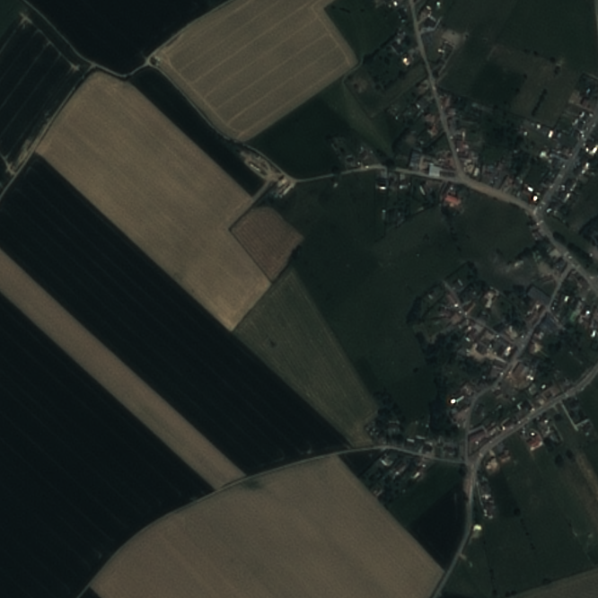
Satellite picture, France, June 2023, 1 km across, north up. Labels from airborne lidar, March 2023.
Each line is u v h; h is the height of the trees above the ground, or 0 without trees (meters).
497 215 0
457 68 0
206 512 0
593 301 0
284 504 0
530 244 0
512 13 0
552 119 0
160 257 0
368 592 0
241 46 0
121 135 0
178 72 0
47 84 0
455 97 6
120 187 0
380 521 0
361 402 0
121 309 0
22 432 0
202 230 0
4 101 0
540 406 0
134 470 0
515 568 0
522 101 0
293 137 0
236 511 0
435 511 0
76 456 0
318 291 0
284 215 0
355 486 0
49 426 0
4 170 0
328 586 0
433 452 0
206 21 0
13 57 0
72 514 0
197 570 0
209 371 0
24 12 0
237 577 0
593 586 0
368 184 0
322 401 0
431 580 0
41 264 0
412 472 13
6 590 0
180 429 0
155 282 0
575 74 0
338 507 0
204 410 0
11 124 0
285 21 0
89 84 0
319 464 0
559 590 0
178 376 0
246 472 0
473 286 13
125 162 0
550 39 0
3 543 0
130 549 0
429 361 19
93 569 0
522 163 10
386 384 0
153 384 0
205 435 0
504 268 0
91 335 0
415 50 0
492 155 0
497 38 0
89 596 0
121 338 0
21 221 0
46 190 0
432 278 0
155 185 0
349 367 0
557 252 0
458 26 0
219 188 0
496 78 0
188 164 0
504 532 0
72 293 0
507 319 14
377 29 0
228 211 0
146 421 0
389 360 0
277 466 0
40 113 0
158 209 0
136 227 0
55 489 0
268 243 0
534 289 0
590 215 0
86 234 0
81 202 0
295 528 0
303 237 0
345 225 0
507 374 0
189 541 0
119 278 0
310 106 0
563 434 0
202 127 0
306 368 0
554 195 0
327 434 0
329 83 0
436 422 25
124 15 0
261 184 0
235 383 0
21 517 0
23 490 0
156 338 0
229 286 0
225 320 0
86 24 0
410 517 0
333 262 0
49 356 0
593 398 0
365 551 0
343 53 0
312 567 0
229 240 0
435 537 0
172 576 0
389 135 0
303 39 0
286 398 0
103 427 0
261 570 0
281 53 0
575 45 0
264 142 0
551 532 0
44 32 0
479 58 0
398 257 0
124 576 0
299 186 0
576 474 0
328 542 0
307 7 0
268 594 0
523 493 0
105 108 0
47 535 0
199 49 0
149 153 0
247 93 0
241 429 0
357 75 0
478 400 0
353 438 0
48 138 0
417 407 0
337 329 0
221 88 0
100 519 0
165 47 0
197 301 0
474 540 0
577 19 0
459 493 0
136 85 0
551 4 0
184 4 0
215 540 0
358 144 0
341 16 0
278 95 0
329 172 0
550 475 0
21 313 0
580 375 0
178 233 0
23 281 0
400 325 0
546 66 0
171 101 0
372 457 0
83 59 0
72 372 0
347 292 0
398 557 0
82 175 0
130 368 0
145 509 0
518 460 0
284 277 0
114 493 0
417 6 0
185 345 0
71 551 0
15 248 0
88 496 0
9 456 0
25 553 0
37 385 0
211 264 0
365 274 0
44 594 0
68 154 0
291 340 0
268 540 0
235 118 0
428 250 0
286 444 0
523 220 0
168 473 0
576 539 0
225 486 0
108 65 0
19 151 0
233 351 0
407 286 0
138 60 0
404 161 0
